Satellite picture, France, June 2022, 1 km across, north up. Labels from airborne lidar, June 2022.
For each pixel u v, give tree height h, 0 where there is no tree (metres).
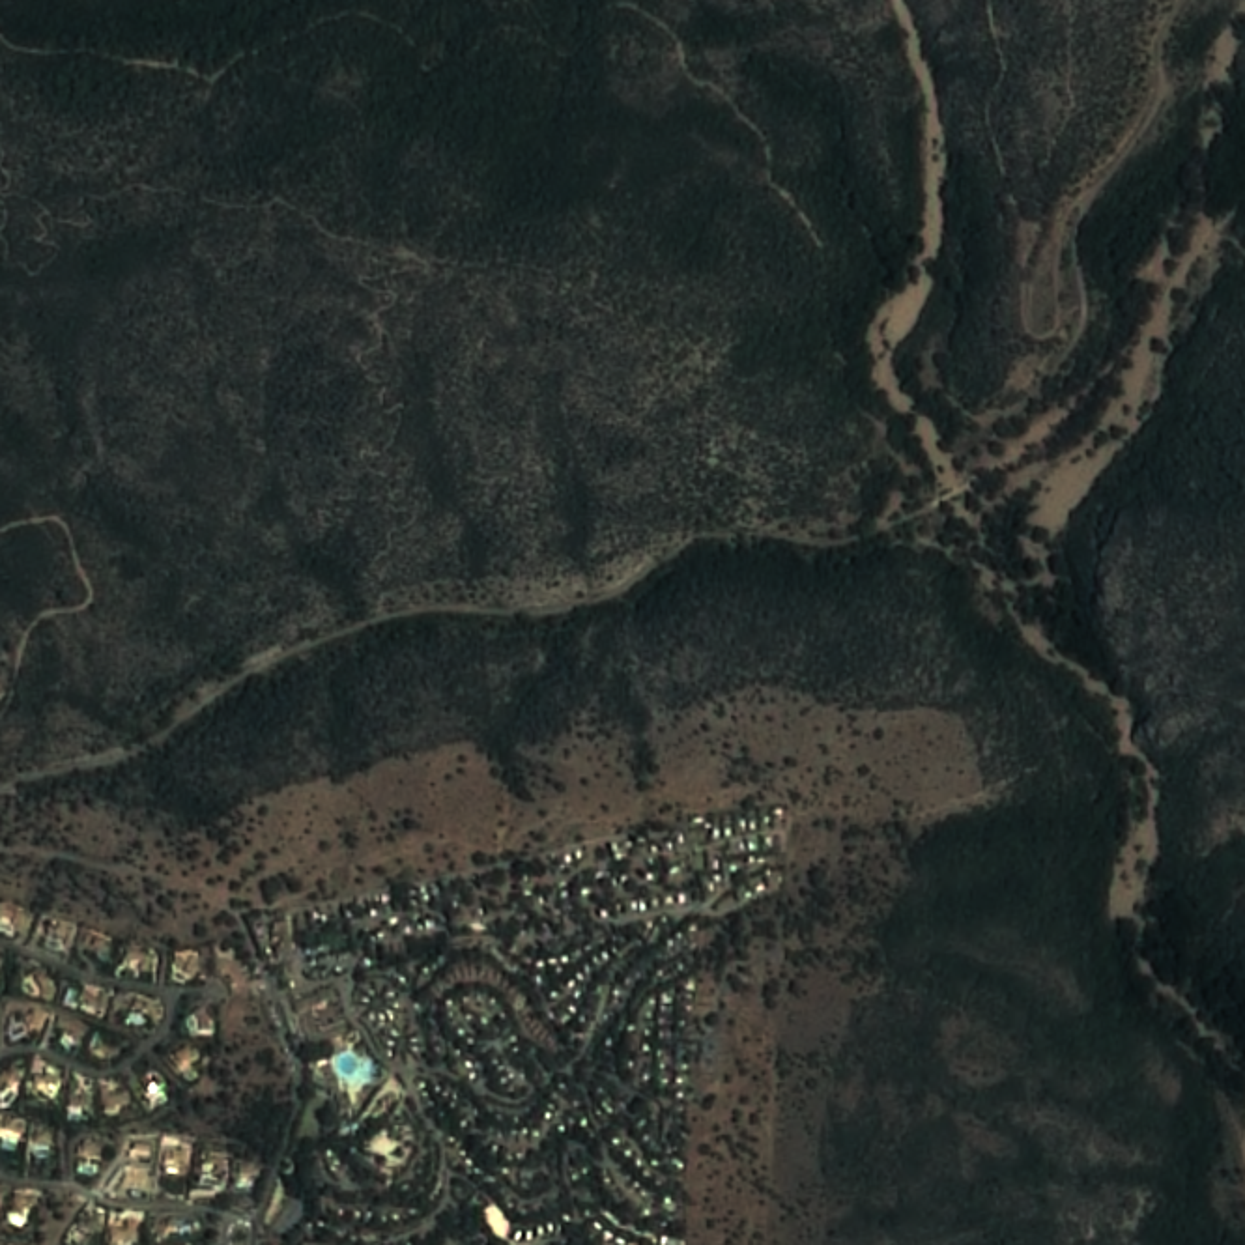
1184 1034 16
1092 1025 11
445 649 9
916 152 10
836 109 8
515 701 6
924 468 8
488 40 6
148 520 8
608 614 9
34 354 8
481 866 8
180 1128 8
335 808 0
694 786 0
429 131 7
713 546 15
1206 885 11
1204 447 7
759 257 6
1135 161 8
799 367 9
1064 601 15
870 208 8
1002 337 14
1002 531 13
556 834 0
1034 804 11
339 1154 9
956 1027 0
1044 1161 8
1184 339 14
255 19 10
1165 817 10
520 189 7
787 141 7
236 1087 8
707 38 8
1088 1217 0
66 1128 7
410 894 10
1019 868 10
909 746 0
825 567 10
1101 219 12
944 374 7
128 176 6
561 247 8
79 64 13
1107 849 11
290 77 7
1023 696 9
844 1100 0
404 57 8
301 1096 15
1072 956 6
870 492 9
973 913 8
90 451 6
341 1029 0
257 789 0
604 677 6
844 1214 0
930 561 6
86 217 6
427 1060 12
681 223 8
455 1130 10
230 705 6
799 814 0
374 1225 16
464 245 7
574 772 0
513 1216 6
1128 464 9
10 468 0
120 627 0
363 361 0
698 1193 0
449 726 0
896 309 0
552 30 8
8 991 7
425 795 0
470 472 7
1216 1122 7
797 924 7
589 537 9
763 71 6
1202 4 0
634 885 11
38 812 8
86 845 0
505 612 0
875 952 7
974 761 0
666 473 7
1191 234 16
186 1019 9
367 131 7
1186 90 8
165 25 6
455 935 8
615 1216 8
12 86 6
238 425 0
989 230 7
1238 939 9
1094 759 10
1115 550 0
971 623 14
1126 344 14
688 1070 6
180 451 0
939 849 10
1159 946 13
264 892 12
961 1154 0
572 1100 15
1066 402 11
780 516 8
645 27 6
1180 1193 11
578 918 10
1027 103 9
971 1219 7
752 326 6
